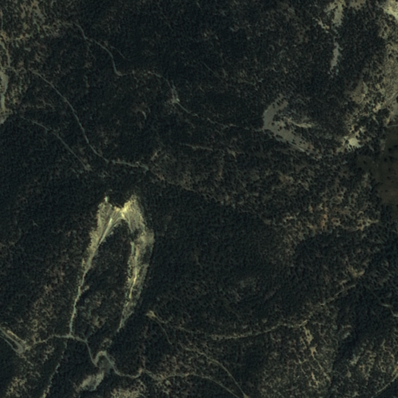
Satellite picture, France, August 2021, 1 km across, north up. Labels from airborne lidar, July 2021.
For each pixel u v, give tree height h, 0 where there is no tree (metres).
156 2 14
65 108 11
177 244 10
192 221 12
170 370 7
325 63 9
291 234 10
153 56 6
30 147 14
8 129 18
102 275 9
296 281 15
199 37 14
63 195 14
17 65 12
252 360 10
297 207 9
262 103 7
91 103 13
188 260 8
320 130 9
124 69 7
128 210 0
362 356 7
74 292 7
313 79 11
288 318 12
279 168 13
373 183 14
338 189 10
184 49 6
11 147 14
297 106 9
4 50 6
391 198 0
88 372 11
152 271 8
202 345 7
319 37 8
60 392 10
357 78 13
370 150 18
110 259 7
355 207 7
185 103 6
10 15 11
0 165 6
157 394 10
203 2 9
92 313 9
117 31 15
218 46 6
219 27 12
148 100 7
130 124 11
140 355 12
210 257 15
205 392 12
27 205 16
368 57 11
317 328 11
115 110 10
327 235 7
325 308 7
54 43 16
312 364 8
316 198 10
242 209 17
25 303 9
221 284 15
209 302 11
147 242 0
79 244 7
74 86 6
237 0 9
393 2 0
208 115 7
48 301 7
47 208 16
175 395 12
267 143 10
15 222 13
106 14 13
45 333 8
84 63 8
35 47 9
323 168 11
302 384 9
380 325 12
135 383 11
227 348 8
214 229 10
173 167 8
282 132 0
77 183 11
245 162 12
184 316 8
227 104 11
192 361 10
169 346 9
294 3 8
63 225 11
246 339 10
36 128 8
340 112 10
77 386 9
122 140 10
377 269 6
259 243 9
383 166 0
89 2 13
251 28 11
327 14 7
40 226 17
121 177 11
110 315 6
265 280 11
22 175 15
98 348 8
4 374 9
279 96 8
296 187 12
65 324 7
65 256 9
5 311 11
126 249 10
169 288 15
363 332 11
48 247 15
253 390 11
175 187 11
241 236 12
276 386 7
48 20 7
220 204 15
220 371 11
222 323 10
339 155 6
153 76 8
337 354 12
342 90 7
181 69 9
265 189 9
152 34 8
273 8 9
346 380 7
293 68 7
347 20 11
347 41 6
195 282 13
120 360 7
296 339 10
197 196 12
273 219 10
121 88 8
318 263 15
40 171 14
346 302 19
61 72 8
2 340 9
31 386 12
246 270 10
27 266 15
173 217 7
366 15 9
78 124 10
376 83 7
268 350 10
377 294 11
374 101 12
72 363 13
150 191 11
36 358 9
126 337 7
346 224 11
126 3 15
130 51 11
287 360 10
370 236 14
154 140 7
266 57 7
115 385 8
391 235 16
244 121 9
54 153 12
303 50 11
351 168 11
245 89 12
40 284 8
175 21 13
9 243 14
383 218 19
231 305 8
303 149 0
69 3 10
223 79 13
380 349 6
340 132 10
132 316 6
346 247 12
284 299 17
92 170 8
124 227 6
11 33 7
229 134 7
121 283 10
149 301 9
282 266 8
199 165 14
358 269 13
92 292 9
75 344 11
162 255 13
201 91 8
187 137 8
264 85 10
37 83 9
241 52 6
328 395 8
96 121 10
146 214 7
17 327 7
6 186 10
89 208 12
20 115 9
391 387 7
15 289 13
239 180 8
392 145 0
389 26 6
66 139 10
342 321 12
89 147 8
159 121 7
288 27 8
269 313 13
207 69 9
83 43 10
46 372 12
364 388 9
